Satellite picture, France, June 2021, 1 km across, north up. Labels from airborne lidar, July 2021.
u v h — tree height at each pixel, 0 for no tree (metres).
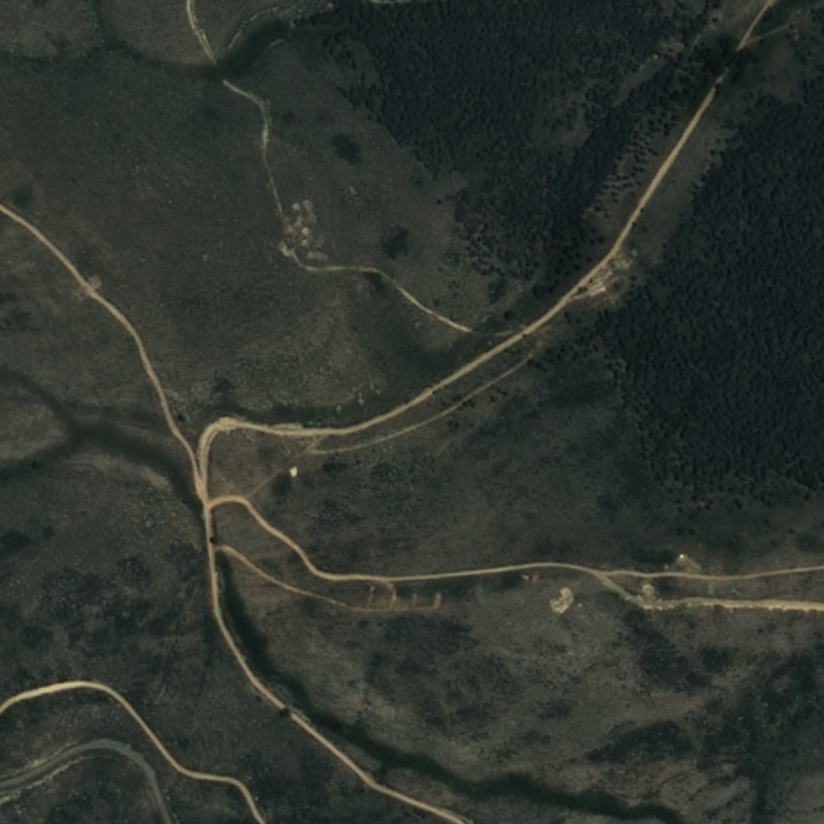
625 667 0
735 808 0
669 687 0
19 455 0
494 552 0
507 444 0
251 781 0
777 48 0
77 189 0
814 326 14
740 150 11
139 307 0
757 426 14
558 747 0
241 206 0
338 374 0
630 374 12
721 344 12
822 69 11
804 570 0
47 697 0
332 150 0
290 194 0
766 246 10
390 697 0
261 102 0
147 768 0
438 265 0
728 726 0
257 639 0
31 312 0
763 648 0
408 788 0
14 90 0
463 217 8
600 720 0
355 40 11
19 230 0
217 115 0
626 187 13
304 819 0
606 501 0
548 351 7
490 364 0
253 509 0
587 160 16
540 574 0
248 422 0
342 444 0
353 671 0
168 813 0
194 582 0
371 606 0
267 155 0
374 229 0
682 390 10
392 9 11
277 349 0
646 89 12
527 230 7
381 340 0
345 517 0
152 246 0
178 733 0
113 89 0
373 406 0
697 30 10
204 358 0
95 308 0
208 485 0
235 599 0
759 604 0
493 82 10
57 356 0
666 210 0
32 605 0
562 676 0
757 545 0
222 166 0
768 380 12
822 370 9
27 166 0
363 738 0
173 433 0
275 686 0
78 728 0
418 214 0
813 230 11
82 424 0
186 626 0
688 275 11
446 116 7
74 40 0
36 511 0
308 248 0
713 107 0
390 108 11
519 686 0
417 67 10
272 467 0
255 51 0
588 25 10
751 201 15
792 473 13
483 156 7
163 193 0
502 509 0
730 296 12
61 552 0
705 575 0
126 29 0
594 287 0
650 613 0
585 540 0
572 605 0
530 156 6
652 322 11
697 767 0
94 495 0
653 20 9
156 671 0
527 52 8
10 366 0
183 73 0
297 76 0
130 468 0
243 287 0
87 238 0
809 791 0
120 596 0
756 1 0
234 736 0
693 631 0
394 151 0
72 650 0
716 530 0
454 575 0
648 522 0
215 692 0
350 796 0
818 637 0
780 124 11
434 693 0
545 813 0
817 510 0
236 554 0
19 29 0
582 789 0
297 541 0
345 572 0
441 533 0
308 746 0
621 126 17
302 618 0
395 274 0
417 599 0
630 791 0
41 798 0
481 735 0
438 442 0
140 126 0
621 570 0
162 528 0
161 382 0
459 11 13
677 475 11
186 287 0
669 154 0
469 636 0
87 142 0
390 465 0
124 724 0
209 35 0
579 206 18
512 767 0
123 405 0
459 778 0
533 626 0
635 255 0
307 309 0
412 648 0
